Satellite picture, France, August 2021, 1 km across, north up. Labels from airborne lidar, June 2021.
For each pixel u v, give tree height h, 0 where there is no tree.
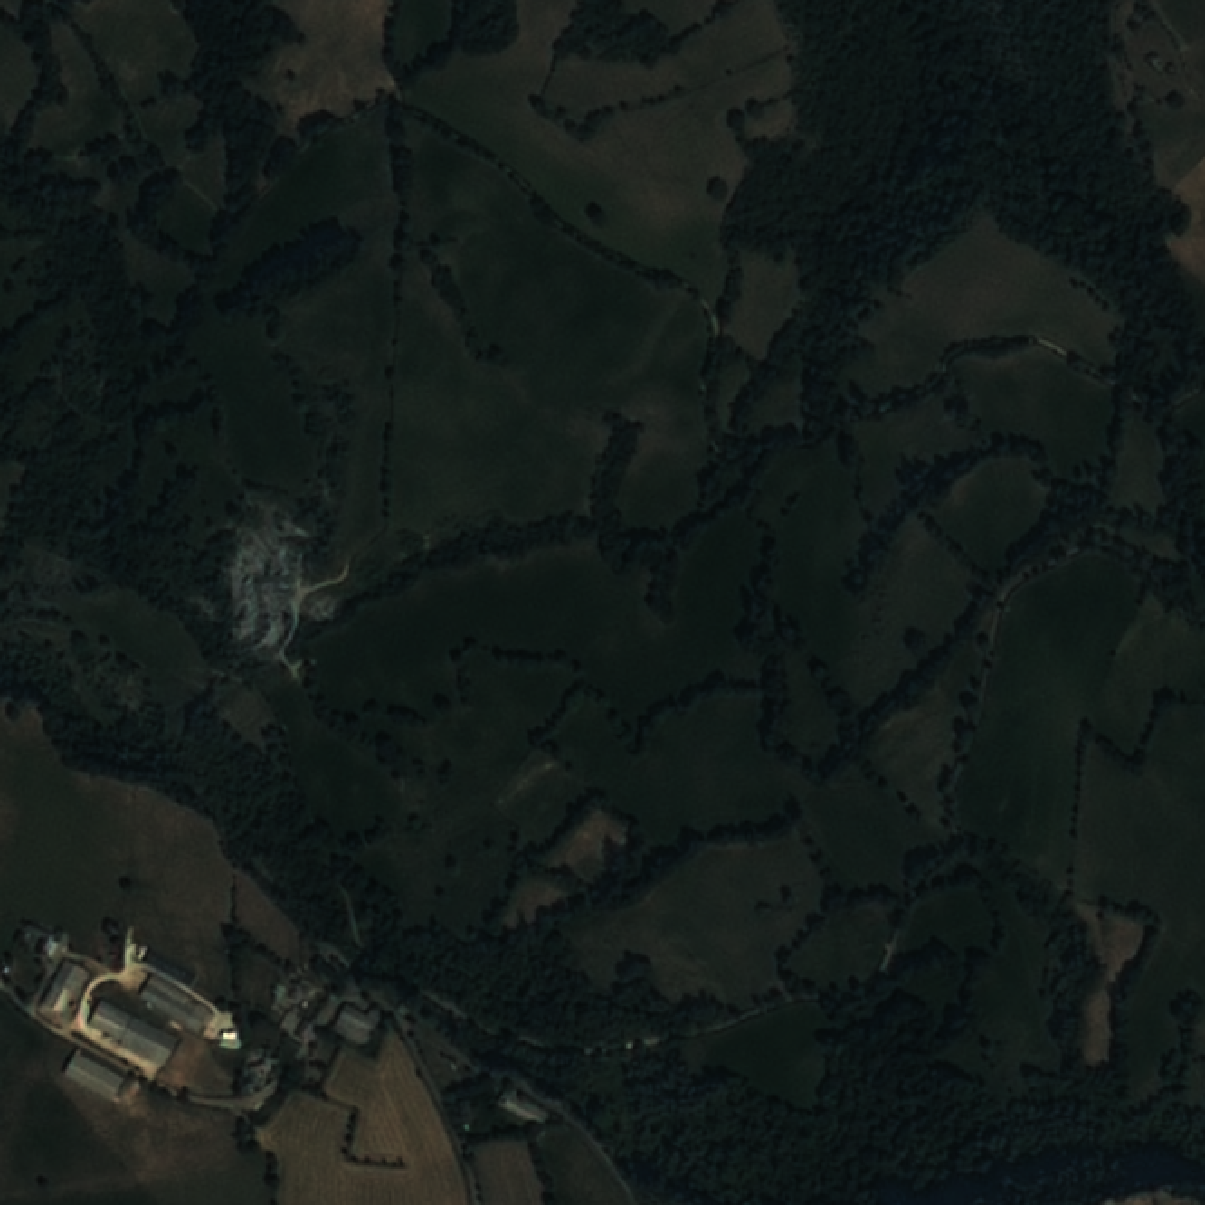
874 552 17
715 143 0
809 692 0
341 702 0
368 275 0
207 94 13
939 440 0
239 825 12
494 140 0
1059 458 0
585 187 0
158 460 0
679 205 0
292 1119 0
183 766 6
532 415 0
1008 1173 10
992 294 0
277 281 21
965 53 22
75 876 0
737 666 0
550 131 0
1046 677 0
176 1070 0
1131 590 0
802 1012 0
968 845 11
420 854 0
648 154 0
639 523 0
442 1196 0
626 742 12
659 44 12
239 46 22
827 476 0
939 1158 7
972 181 9
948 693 0
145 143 17
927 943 0
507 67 0
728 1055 0
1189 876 0
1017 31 8
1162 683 0
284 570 0
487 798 0
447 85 0
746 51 0
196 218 0
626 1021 10
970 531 0
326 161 0
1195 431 0
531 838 0
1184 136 0
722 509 11
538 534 11
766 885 0
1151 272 15
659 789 0
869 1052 18
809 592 0
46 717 12
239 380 0
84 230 15
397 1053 0
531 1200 0
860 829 0
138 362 0
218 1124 0
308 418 9
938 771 0
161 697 0
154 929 0
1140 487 0
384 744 13
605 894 14
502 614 0
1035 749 0
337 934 11
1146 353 26
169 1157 0
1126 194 8
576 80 0
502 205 0
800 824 22
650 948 0
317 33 0
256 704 0
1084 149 14
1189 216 13
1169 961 0
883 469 0
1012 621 0
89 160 7
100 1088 0
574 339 0
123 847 0
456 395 0
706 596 0
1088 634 0
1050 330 0
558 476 0
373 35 0
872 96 12
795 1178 8
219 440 10
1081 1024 10
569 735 0
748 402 20
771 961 0
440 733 0
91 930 0
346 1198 0
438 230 0
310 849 11
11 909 0
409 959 14
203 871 0
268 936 0
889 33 14
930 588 0
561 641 0
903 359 0
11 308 0
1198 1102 0
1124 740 0
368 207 0
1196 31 0
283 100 0
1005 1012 0
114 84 13
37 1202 0
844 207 10
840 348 10
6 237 12
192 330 18
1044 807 0
